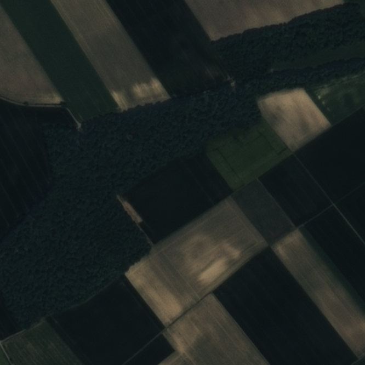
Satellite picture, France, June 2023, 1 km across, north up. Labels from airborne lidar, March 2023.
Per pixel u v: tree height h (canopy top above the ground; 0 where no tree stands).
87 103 0
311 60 0
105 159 21
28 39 0
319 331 0
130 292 0
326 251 0
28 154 0
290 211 0
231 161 0
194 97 26
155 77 0
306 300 0
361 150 0
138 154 24
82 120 0
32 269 15
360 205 0
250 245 0
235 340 0
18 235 11
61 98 0
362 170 0
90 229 27
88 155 26
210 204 0
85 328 0
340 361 0
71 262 25
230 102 22
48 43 0
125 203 0
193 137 23
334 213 0
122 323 0
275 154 0
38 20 0
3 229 0
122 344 0
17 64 0
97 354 0
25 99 0
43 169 0
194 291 0
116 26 0
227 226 0
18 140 0
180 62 0
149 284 0
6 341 0
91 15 0
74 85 0
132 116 27
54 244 27
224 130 16
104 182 27
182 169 0
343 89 0
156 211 0
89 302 0
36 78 0
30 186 0
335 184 0
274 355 0
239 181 0
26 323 17
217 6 0
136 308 0
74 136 23
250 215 0
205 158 0
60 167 21
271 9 0
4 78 0
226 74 0
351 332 0
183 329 0
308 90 0
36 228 22
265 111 0
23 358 0
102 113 0
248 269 0
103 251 24
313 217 0
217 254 0
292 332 0
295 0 0
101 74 0
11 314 15
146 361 0
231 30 0
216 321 0
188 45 0
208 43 0
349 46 0
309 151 0
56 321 0
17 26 0
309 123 0
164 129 24
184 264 0
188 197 0
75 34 0
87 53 0
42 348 0
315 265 0
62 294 24
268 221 0
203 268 0
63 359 0
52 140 19
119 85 0
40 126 0
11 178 0
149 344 0
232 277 0
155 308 0
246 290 0
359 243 0
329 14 17
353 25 22
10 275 25
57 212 20
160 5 0
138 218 0
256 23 0
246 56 20
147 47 0
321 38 14
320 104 0
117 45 0
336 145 0
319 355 0
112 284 0
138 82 0
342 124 0
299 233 0
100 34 0
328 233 0
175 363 0
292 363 0
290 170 0
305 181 0
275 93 0
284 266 0
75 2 0
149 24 0
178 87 0
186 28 0
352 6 16
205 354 0
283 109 0
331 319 0
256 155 0
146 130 23
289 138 0
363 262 0
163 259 0
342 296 0
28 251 25
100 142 18
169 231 0
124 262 21
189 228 0
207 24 0
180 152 16
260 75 8
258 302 0
